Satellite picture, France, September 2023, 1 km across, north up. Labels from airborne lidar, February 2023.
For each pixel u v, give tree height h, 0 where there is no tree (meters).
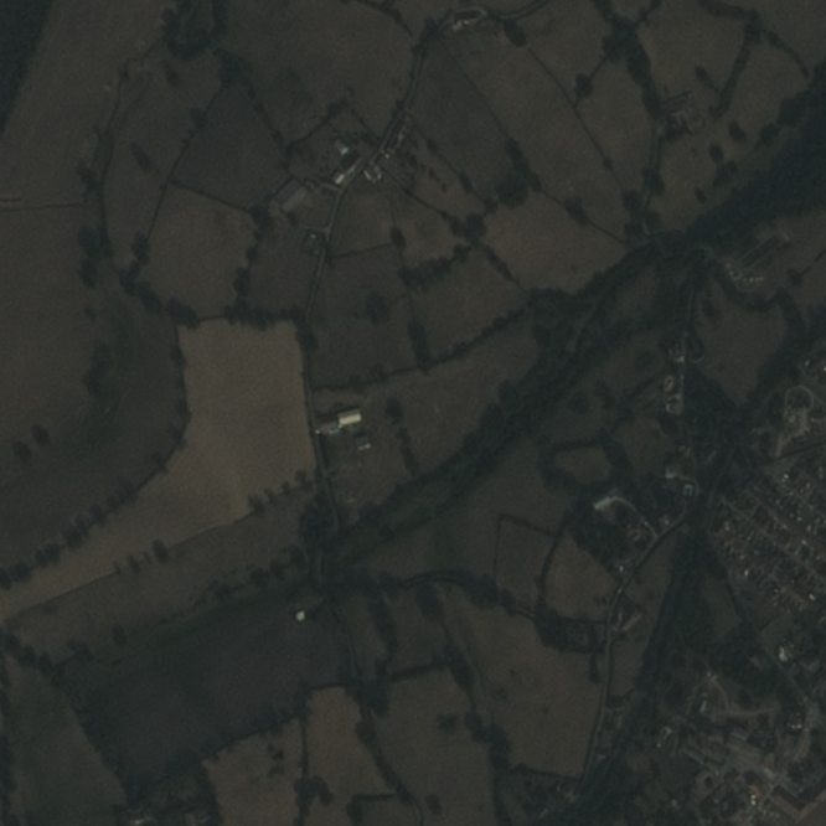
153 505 0
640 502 22
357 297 0
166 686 0
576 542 14
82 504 0
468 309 0
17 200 0
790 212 19
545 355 6
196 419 0
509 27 13
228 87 9
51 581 0
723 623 0
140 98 0
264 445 0
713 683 0
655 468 0
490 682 0
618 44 18
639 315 0
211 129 0
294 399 0
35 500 0
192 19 0
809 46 0
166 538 0
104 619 0
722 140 0
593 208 0
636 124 0
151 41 0
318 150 0
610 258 0
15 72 16
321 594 9
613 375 0
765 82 0
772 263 0
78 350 0
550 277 0
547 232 0
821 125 18
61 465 0
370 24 0
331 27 0
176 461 0
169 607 0
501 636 0
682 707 0
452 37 0
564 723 0
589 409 0
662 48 0
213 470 0
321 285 0
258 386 0
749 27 10
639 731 11
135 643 0
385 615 23
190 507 0
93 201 0
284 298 0
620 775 12
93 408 0
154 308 18
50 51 0
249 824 0
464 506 0
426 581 7
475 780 0
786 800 0
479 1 0
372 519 21
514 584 0
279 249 0
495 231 0
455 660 20
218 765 0
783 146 0
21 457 15
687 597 16
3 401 0
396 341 0
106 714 0
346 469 0
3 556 0
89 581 0
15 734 0
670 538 0
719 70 0
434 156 0
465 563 0
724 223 20
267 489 0
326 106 0
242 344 0
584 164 0
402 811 0
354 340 0
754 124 0
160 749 0
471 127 0
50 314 0
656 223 17
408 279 19
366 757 0
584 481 0
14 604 0
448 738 0
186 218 0
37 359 0
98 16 0
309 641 0
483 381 0
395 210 0
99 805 0
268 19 0
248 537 0
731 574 0
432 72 0
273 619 0
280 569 20
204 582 0
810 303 0
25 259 0
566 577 0
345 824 0
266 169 0
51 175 0
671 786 0
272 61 0
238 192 0
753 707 0
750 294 0
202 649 0
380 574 0
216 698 0
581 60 0
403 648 0
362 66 0
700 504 13
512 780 0
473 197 0
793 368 16
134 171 0
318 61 0
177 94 0
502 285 0
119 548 0
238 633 0
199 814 0
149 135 0
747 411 13
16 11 16
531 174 18
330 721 0
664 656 15
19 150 0
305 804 13
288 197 0
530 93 0
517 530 0
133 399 0
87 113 0
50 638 0
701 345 11
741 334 0
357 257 0
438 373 0
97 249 20
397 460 0
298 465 0
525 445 0
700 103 0
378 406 0
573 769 0
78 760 0
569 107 0
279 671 0
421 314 0
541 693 0
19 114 0
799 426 0
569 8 0
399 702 0
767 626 0
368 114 0
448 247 0
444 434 0
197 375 0
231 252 0
